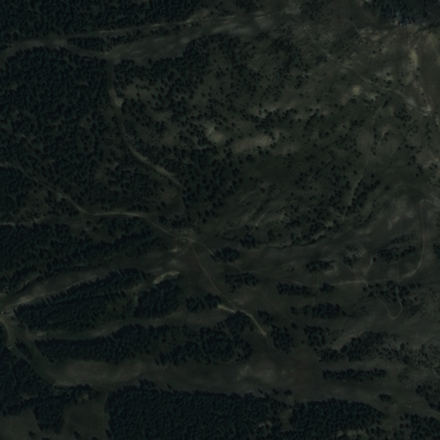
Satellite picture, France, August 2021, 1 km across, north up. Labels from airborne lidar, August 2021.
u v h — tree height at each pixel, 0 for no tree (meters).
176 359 21
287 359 0
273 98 0
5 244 26
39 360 0
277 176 0
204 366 0
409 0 0
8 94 19
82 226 0
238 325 20
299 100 0
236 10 0
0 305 0
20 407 23
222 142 0
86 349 24
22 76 22
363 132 0
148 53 0
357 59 0
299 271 0
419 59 0
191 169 22
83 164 16
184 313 0
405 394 0
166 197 0
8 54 0
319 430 12
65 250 28
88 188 7
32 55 21
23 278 23
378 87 0
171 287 20
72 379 0
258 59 0
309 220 10
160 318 22
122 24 12
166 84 9
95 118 16
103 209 8
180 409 23
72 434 0
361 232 0
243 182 16
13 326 0
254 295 0
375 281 0
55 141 16
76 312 25
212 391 0
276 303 0
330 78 0
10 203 24
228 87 0
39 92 17
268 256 0
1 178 29
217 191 21
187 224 7
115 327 0
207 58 7
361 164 0
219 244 0
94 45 14
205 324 0
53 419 26
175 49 0
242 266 0
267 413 14
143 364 0
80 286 0
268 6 0
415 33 0
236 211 0
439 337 0
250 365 0
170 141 0
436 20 0
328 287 15
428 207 0
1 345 18
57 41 0
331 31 0
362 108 0
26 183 21
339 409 14
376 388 0
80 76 15
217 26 0
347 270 0
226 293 0
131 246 21
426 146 0
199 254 0
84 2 13
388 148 0
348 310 0
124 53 0
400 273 0
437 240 0
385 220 0
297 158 0
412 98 0
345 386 0
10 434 0
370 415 14
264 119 9
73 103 15
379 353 8
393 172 0
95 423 0
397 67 0
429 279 0
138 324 0
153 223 0
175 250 0
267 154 11
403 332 0
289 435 17
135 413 23
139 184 10
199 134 10
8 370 24
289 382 0
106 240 0
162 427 23
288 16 0
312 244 6
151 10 7
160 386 0
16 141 15
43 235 23
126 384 0
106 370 0
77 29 16
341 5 0
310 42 0
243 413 22
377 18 0
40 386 24
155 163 10
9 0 13
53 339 0
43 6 7
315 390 0
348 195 0
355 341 14
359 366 0
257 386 0
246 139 0
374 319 0
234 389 0
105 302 23
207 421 19
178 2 9
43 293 0
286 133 0
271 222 0
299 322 0
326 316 9
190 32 0
